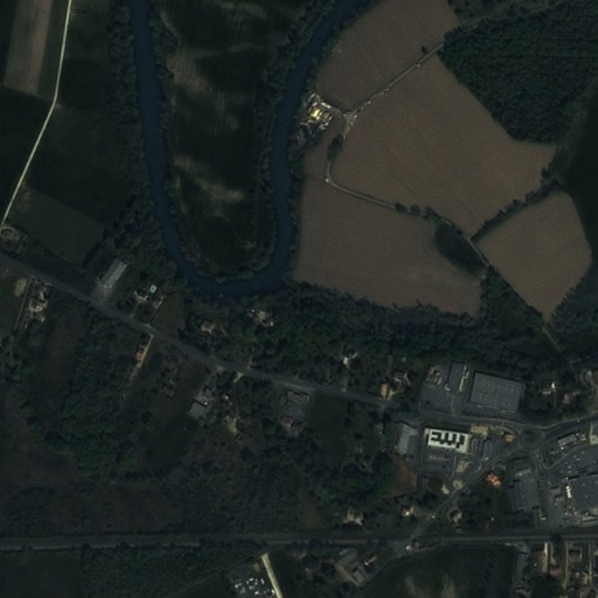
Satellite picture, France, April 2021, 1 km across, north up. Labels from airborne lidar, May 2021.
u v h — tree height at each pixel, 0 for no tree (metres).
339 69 0
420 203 0
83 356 7
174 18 0
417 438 0
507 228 0
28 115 0
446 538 0
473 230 0
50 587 0
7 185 0
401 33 0
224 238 0
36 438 13
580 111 0
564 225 0
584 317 11
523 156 0
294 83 0
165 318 0
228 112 0
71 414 14
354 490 12
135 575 15
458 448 0
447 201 0
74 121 0
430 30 0
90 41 0
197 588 0
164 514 0
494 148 0
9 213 0
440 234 0
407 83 0
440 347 15
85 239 0
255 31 0
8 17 0
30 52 0
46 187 0
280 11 0
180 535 11
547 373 20
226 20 0
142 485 15
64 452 20
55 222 0
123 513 0
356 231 0
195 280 0
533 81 10
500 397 0
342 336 15
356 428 0
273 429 23
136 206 12
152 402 0
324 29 0
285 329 25
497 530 0
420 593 0
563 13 13
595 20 7
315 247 0
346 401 0
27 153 0
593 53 10
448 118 0
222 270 0
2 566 0
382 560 0
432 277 0
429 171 0
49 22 0
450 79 0
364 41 0
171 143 0
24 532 6
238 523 6
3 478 0
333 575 21
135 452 20
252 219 12
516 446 0
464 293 0
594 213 0
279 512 28
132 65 19
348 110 0
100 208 0
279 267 0
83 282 14
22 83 0
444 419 0
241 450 0
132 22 0
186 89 0
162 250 8
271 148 12
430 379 0
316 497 13
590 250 0
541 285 0
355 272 0
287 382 0
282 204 0
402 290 0
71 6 0
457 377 0
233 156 0
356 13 15
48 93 0
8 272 0
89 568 14
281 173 0
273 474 8
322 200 0
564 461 0
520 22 11
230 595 14
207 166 0
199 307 7
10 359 14
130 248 6
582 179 0
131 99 18
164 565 14
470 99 0
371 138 0
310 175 0
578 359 0
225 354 17
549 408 9
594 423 0
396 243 0
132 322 0
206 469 13
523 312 20
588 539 0
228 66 0
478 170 0
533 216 0
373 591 0
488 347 18
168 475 12
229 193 0
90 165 0
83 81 0
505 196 0
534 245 0
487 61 14
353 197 0
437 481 0
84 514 9
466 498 9
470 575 0
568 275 0
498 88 16
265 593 0
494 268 0
